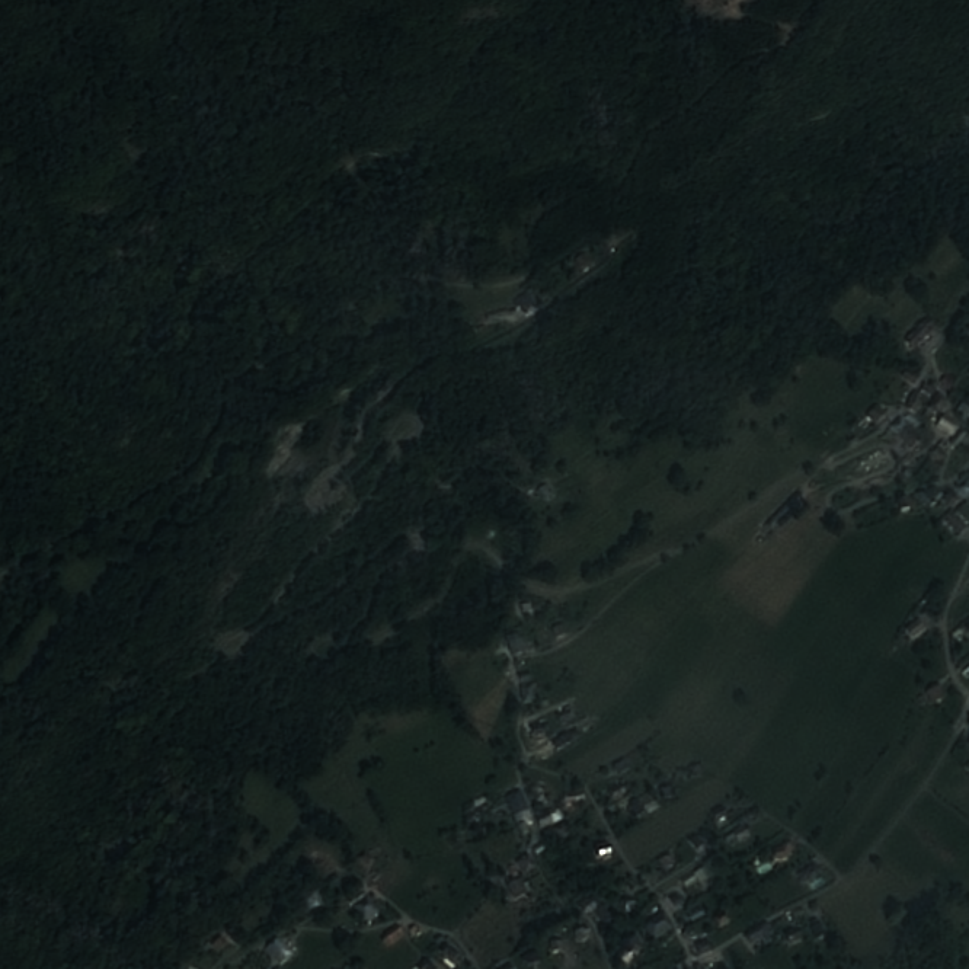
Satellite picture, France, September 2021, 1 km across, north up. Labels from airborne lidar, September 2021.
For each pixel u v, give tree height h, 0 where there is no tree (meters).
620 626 0
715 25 12
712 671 0
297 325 24
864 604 0
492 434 28
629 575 0
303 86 29
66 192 20
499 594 24
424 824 0
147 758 24
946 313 0
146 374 32
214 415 20
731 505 0
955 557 0
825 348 20
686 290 25
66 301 25
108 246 22
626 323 22
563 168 13
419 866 0
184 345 28
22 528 32
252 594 14
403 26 21
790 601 0
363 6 20
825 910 0
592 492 0
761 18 10
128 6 24
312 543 15
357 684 19
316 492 0
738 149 17
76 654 12
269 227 22
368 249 28
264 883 22
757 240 24
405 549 18
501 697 0
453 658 0
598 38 33
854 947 0
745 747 0
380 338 22
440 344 28
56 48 21
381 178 24
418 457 24
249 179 17
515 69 32
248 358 25
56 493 32
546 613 6
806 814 0
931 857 0
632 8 29
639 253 10
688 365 10
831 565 0
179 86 24
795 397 0
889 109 29
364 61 22
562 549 0
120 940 25
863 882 0
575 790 12
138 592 7
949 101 23
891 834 0
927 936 21
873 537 0
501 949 0
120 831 35
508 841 0
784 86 13
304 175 19
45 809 13
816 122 17
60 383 25
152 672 17
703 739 0
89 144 23
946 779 0
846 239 28
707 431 21
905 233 21
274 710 20
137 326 29
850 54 20
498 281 0
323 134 22
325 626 15
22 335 20
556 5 38
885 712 0
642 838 0
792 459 0
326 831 27
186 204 18
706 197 6
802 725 0
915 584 0
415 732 0
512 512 16
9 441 32
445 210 25
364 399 15
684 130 8
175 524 8
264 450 17
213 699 22
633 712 0
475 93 34
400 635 20
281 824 0
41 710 23
